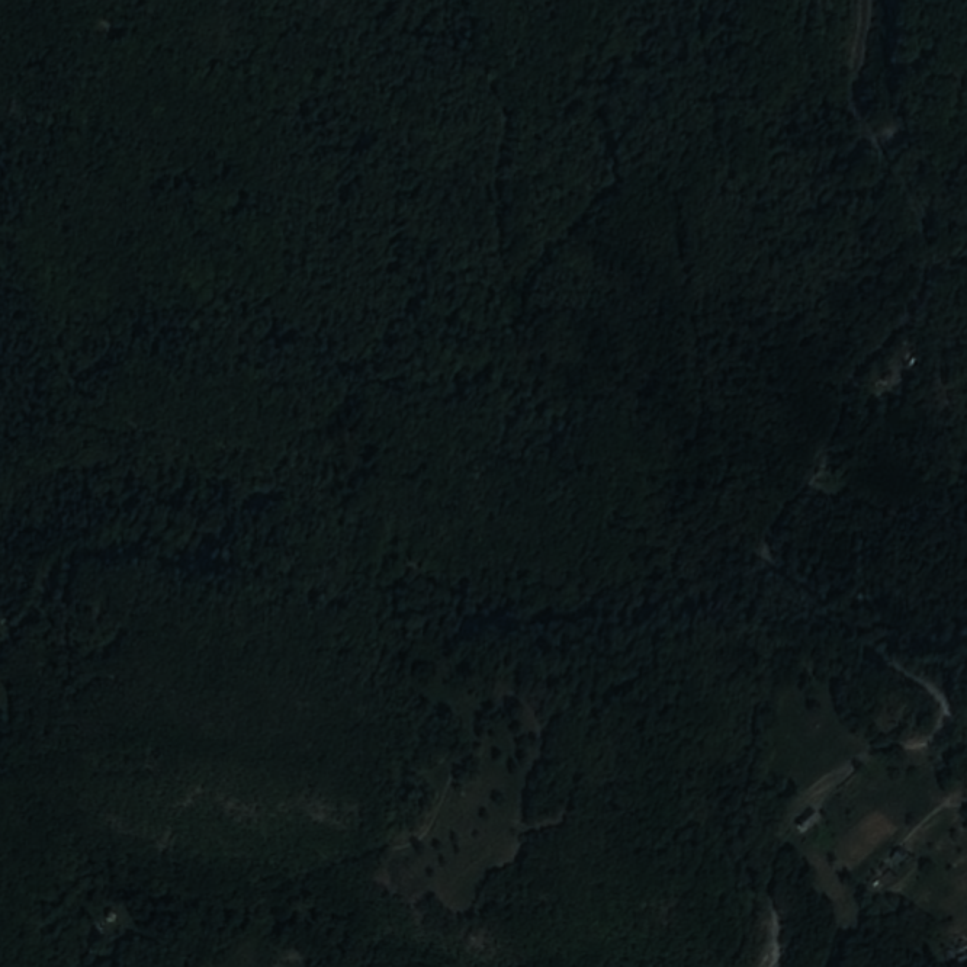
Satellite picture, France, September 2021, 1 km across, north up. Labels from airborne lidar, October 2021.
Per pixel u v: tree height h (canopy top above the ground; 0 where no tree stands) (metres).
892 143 0
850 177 26
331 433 13
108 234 21
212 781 9
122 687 20
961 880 0
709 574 27
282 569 17
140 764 15
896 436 10
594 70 17
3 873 28
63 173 23
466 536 21
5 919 20
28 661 25
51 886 27
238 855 14
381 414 27
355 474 8
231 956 18
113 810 12
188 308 27
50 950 22
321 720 19
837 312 28
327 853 18
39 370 26
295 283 25
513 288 10
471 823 0
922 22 18
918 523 27
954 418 16
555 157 22
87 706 24
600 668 28
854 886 10
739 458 20
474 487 26
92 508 29
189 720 15
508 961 12
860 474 19
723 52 13
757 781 21
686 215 17
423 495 23
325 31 22
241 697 17
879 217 20
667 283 23
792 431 20
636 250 22
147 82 22
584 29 27
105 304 19
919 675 16
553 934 13
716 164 19
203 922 21
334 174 27
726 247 22
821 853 0
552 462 31
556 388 20
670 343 26
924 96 18
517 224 25
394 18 29
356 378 25
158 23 16
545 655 21
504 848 0
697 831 22
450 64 23
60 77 19
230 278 24
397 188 32
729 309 24
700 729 21
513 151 22
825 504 24
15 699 20
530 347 23
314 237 29
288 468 22
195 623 18
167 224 28
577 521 28
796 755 0
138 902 25
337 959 24
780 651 17
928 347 14
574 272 20
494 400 30
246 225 30
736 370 27
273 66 26
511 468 29
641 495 25
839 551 19
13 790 31
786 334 30
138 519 36
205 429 22
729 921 19
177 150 22
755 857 20
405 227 30
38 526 21
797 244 20
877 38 7
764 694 18
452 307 32
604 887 18
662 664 23
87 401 20
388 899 17
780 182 27
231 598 20
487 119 19
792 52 19
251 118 22
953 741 17
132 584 15
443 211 21
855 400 25
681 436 21
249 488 15
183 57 23
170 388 23
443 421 25
